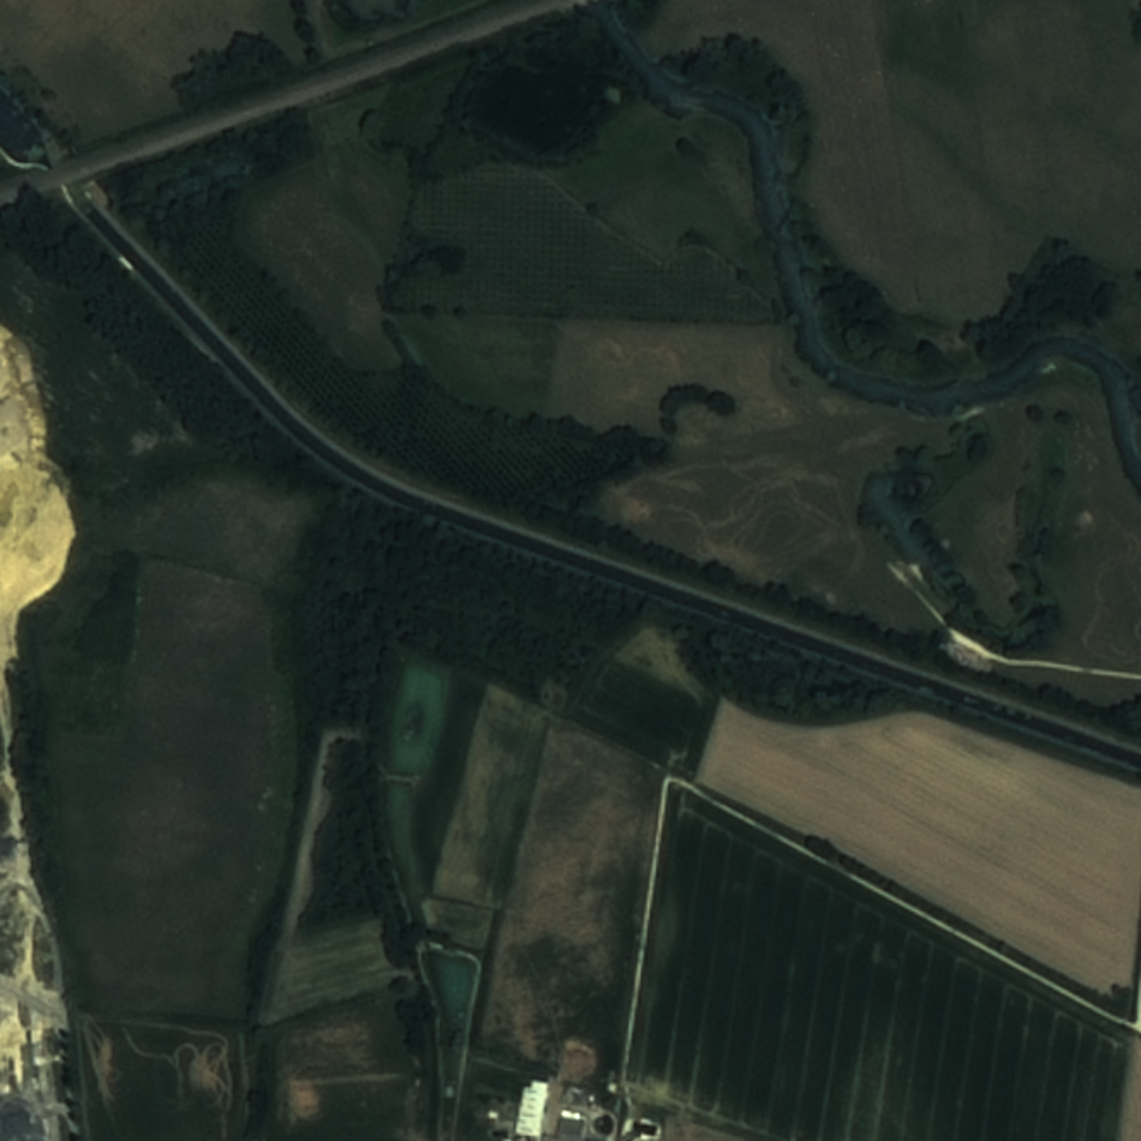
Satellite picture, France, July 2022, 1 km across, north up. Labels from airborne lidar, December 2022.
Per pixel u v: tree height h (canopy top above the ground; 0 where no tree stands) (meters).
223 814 0
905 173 0
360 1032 0
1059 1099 0
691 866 0
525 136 8
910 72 0
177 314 0
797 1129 0
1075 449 0
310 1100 0
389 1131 0
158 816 0
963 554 0
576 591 13
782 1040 0
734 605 0
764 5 0
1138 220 0
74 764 0
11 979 0
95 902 0
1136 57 0
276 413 0
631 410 0
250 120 0
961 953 0
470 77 10
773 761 0
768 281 0
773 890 0
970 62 0
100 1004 0
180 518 0
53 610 0
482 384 0
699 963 0
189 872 0
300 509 0
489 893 0
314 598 8
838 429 0
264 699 0
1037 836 0
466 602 9
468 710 0
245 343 24
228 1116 0
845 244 0
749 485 0
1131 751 0
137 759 0
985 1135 0
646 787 0
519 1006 0
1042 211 0
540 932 0
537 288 0
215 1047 0
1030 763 0
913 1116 0
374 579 10
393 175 0
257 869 0
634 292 0
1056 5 0
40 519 0
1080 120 0
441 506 0
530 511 15
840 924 0
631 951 0
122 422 0
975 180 0
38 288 0
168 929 0
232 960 0
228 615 0
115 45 0
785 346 0
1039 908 0
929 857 0
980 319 0
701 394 13
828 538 0
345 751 11
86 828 0
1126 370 0
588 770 0
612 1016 0
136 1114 0
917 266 0
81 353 0
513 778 0
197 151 13
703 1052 0
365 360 0
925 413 0
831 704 18
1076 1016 0
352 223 0
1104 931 0
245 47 22
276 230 0
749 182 0
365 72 0
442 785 0
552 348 0
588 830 0
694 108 0
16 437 0
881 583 0
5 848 0
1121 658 0
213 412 25
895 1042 0
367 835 12
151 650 0
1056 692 18
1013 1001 0
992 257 0
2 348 0
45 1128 0
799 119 25
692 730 0
